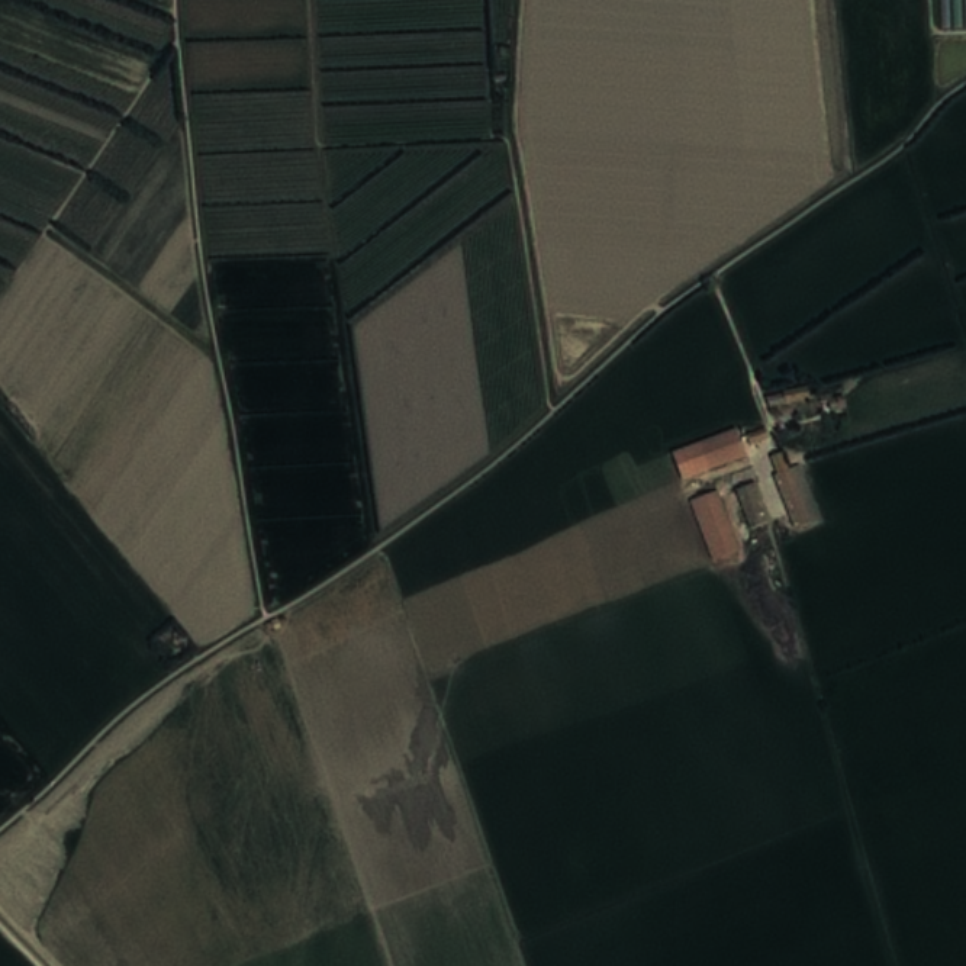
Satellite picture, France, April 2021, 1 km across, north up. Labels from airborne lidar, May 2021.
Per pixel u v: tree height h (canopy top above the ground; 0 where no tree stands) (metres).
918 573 0
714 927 0
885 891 0
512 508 0
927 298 0
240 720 0
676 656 0
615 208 0
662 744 0
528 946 0
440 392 0
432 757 0
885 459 0
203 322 0
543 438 0
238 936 0
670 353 0
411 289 0
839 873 0
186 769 0
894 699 0
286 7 0
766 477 0
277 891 0
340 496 0
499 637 0
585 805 0
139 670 0
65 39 0
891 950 0
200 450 0
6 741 0
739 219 0
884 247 0
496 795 0
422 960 0
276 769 0
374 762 0
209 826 0
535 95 0
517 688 0
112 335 0
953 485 0
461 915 0
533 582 0
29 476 0
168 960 0
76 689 0
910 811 0
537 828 0
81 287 0
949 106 8
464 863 0
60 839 0
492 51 10
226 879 0
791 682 0
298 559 0
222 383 0
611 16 0
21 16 0
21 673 0
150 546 0
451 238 8
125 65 0
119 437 0
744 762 0
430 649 0
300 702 0
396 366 0
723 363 0
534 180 0
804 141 0
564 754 0
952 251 0
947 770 0
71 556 0
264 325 0
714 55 0
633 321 0
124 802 0
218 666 0
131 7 14
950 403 0
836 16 0
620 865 0
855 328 0
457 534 0
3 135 17
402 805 0
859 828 0
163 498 0
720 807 0
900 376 0
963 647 0
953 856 0
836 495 0
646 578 0
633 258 0
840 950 0
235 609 0
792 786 0
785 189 0
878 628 0
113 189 13
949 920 0
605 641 0
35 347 0
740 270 0
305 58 0
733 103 0
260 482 0
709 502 0
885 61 0
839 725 0
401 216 7
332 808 0
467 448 0
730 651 0
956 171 0
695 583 0
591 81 0
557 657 0
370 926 0
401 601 0
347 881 0
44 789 0
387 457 0
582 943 0
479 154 8
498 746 0
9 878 0
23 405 0
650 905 0
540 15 0
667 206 0
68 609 0
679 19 0
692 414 0
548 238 0
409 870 0
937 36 0
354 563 0
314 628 0
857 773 0
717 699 0
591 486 0
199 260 0
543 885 0
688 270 0
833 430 9
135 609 0
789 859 0
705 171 0
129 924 0
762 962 0
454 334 0
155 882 0
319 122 0
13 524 0
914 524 0
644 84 0
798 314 0
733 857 0
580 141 0
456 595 0
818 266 0
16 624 0
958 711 0
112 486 0
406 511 0
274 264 0
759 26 0
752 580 0
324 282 0
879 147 0
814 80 0
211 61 0
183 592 0
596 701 0
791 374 17
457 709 0
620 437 0
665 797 0
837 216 0
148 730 0
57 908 0
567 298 0
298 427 0
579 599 0
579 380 0
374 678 0
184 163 0
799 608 10
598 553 0
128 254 0
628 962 0
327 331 0
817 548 0
